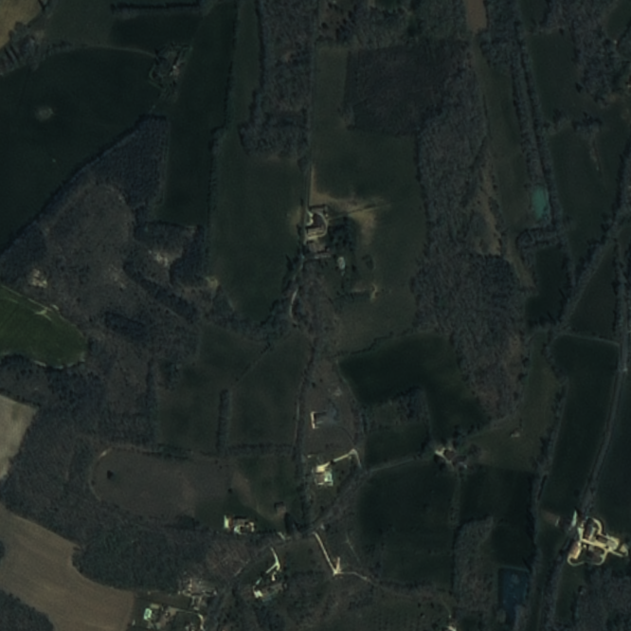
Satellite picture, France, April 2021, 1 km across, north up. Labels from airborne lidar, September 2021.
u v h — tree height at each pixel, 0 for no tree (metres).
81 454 10
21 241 18
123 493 0
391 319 0
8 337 0
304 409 12
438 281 23
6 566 0
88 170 16
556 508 0
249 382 0
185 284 14
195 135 0
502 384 19
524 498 0
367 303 0
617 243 12
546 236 16
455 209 23
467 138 21
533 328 18
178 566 15
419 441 0
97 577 12
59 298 0
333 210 0
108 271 0
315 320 9
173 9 13
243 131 14
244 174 0
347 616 0
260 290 0
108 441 10
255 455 13
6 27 0
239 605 13
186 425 0
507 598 0
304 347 0
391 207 0
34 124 0
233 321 8
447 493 0
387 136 7
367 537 0
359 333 0
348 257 0
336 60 0
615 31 0
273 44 20
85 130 0
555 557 0
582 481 0
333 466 7
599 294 0
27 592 0
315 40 18
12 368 12
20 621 14
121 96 0
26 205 0
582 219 0
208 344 0
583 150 0
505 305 22
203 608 0
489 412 9
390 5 0
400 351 0
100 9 0
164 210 0
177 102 0
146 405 11
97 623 0
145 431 8
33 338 0
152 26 0
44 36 0
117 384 0
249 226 0
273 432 0
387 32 23
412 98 7
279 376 0
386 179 0
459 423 0
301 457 15
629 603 20
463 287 23
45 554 0
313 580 14
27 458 11
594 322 0
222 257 0
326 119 0
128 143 15
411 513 0
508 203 0
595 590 16
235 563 12
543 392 0
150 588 13
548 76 0
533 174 11
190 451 6
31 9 0
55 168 0
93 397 17
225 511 0
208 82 0
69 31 0
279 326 14
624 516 0
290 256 0
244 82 0
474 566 15
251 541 12
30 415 0
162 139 13
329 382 0
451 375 0
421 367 0
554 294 0
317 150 0
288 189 0
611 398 0
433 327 21
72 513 9
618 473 0
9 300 0
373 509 0
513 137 0
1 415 0
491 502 0
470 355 24
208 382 0
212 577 16
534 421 0
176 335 6
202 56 0
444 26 19
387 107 9
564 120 21
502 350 17
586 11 21
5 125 0
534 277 8
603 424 0
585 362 0
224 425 13
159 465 0
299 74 18
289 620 0
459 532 13
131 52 0
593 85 18
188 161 0
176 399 0
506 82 0
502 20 8
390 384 0
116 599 0
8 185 0
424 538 0
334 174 0
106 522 12
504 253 6
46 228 0
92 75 0
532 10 0
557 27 15
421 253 0
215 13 0
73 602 0
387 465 12
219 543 14
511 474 0
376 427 10
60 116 0
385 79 6
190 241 0
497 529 0
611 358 0
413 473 0
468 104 19
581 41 12
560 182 0
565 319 12
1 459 0
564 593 0
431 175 23
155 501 0
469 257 8
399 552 0
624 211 24
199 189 0
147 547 13
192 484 0
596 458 0
